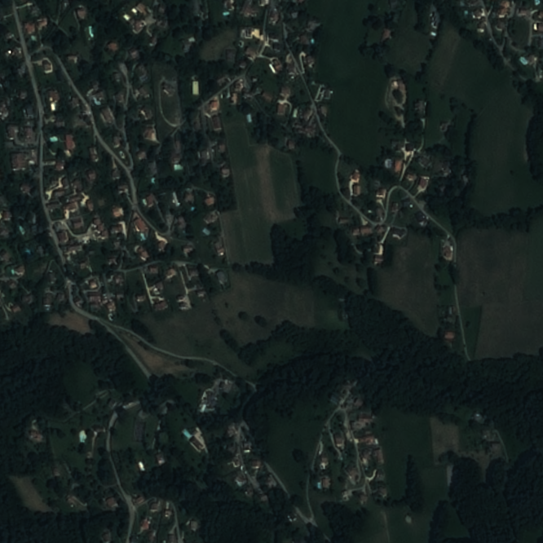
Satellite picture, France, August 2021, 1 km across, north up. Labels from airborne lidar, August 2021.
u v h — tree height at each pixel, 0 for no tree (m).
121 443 0
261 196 0
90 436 14
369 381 26
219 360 0
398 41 0
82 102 9
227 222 0
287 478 0
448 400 22
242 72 10
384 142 0
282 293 0
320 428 0
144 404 17
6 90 22
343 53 0
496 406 20
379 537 0
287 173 0
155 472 14
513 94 0
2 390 18
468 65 0
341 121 0
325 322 0
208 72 16
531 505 25
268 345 12
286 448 0
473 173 19
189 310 0
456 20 6
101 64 7
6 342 22
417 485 21
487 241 0
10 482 15
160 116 0
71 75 9
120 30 25
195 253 16
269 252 0
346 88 0
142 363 0
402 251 0
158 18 5
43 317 17
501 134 0
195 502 30
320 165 0
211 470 21
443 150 18
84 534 23
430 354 25
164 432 13
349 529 28
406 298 0
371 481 6
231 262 0
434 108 0
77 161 18
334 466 0
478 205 0
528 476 31
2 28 17
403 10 8
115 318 6
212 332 0
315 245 22
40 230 20
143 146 15
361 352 0
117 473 6
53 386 16
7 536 39
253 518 23
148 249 11
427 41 0
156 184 11
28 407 18
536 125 22
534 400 24
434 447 0
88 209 7
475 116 11
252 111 6
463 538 0
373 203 10
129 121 7
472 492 31
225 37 0
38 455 9
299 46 8
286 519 12
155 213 13
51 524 31
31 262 21
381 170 17
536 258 0
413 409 20
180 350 0
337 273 12
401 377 31
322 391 18
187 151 13
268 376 22
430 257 0
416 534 0
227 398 14
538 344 0
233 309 0
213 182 14
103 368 25
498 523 24
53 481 12
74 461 0
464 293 0
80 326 0
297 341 16
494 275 0
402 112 10
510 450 0
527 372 16
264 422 17
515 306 0
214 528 28
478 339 0
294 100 8
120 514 17
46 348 26
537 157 18
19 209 20
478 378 23
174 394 23
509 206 0
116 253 6
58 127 11
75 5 17
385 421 0
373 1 0
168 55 16
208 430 17
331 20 0
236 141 0
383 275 0
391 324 17
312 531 20
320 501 0
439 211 22
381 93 0
